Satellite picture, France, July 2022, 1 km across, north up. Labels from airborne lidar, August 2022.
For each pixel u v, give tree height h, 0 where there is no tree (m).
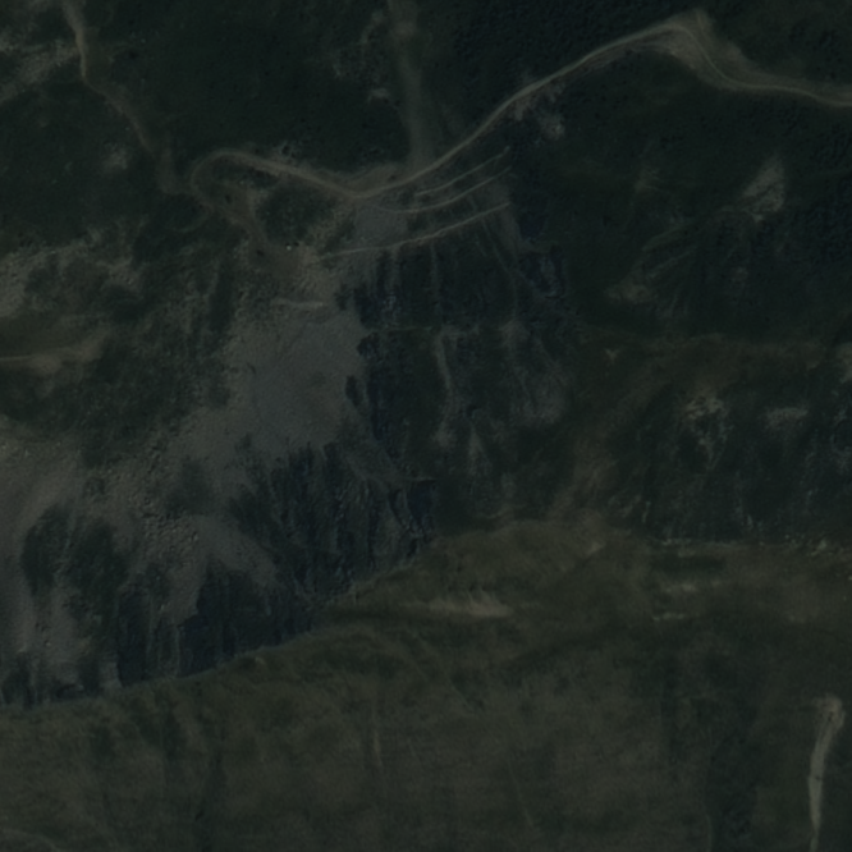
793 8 0
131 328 0
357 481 0
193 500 0
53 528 0
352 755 0
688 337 0
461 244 0
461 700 0
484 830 0
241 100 0
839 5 0
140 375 0
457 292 0
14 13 0
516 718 0
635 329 0
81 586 0
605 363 0
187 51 0
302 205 0
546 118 0
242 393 0
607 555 0
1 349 0
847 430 0
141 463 0
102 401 0
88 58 0
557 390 0
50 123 0
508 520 0
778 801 0
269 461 0
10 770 0
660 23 0
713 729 0
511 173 0
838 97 0
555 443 0
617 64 6
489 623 0
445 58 0
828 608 0
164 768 0
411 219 0
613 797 0
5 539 0
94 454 0
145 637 0
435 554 0
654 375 0
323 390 0
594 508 0
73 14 0
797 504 0
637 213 0
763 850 0
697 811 0
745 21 0
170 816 0
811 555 0
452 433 0
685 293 0
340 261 0
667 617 0
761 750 0
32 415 0
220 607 0
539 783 0
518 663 0
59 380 0
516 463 0
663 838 0
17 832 0
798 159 0
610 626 0
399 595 0
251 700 0
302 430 0
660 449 0
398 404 0
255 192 0
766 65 0
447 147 0
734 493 0
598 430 0
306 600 0
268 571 0
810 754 0
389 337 0
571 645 0
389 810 0
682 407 0
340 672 0
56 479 0
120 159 0
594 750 0
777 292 0
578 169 0
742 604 0
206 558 0
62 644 0
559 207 0
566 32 9
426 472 0
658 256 0
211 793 0
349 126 0
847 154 7
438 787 0
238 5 0
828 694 0
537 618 0
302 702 0
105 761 0
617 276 0
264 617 0
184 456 0
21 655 0
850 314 0
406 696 0
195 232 0
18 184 0
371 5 0
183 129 0
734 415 0
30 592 0
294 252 0
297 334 0
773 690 0
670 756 0
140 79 0
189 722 0
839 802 0
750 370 0
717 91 0
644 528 0
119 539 0
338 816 0
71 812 0
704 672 0
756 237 0
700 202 0
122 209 0
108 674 0
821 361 0
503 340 0
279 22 0
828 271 0
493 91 0
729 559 0
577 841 0
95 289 0
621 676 0
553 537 0
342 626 0
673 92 0
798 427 0
